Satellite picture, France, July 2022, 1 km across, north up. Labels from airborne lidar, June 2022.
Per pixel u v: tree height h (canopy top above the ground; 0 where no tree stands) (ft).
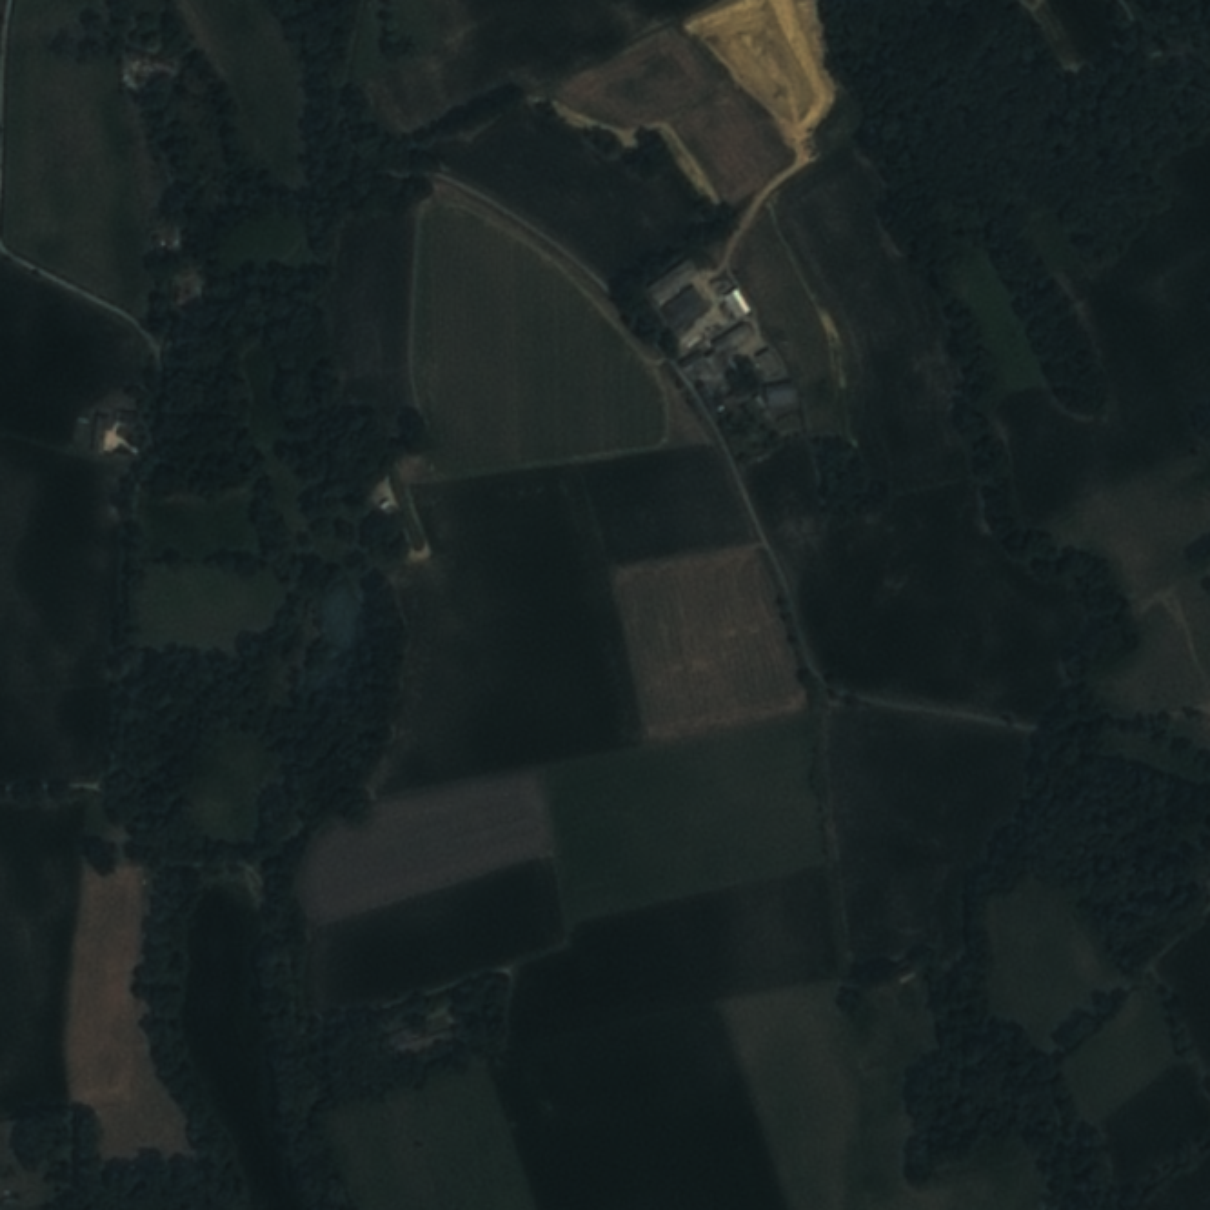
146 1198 95
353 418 73
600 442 0
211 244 65
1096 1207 93
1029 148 81
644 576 0
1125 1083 0
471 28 0
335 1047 71
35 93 0
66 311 0
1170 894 75
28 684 0
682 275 0
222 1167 29
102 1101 0
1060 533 0
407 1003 36
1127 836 43
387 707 57
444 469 0
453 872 0
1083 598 27
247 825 0
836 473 84
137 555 55
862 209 0
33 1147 90
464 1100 0
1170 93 74
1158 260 0
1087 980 0
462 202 0
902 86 76
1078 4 0
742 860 0
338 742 53
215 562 36
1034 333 62
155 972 57
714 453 0
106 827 0
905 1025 0
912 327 0
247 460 68
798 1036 0
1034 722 0
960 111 76
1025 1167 0
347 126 45
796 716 0
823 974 0
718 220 59
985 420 55
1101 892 70
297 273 26
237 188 51
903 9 70
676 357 41
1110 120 86
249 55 0
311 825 35
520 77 0
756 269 0
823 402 0
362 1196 0
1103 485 0
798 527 0
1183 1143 39
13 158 0
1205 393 0
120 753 56
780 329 0
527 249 0
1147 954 57
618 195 0
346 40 31
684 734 0
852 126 0
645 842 0
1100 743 32
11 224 0
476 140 0
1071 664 57
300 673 66
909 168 72
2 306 0
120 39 19
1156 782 81
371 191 77
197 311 87
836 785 0
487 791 0
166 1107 0
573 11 0
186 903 50
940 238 88
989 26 86
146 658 58
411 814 0
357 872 0
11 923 0
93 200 0
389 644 69
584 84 0
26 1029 0
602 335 0
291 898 44
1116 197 88
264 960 64
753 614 0
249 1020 0
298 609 73
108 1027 0
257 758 0
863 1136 0
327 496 77
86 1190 81
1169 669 0
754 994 0
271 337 77
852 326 0
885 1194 0
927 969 46
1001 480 53
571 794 0
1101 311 0
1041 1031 0
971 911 62
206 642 0
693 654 0
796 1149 0
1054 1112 60
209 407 65
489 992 52
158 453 59
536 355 0
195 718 57
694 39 0
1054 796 69
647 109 0
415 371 0
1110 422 0
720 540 0
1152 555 0
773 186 0
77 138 0
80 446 0
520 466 0
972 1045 83
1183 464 0
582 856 0
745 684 0
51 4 0
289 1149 76
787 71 0
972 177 76
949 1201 0
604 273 0
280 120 0
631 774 0
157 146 22
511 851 0
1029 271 79
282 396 69
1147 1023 0
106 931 0
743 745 0
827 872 0
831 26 60
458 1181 0
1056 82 95
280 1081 82
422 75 0
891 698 0
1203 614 0
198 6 0
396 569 0
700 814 0
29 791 51
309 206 73
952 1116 62
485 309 0
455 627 0
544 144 0
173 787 74
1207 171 0
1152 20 25
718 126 0
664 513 0
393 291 0
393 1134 0
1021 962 0
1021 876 45
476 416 0
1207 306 0
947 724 0
